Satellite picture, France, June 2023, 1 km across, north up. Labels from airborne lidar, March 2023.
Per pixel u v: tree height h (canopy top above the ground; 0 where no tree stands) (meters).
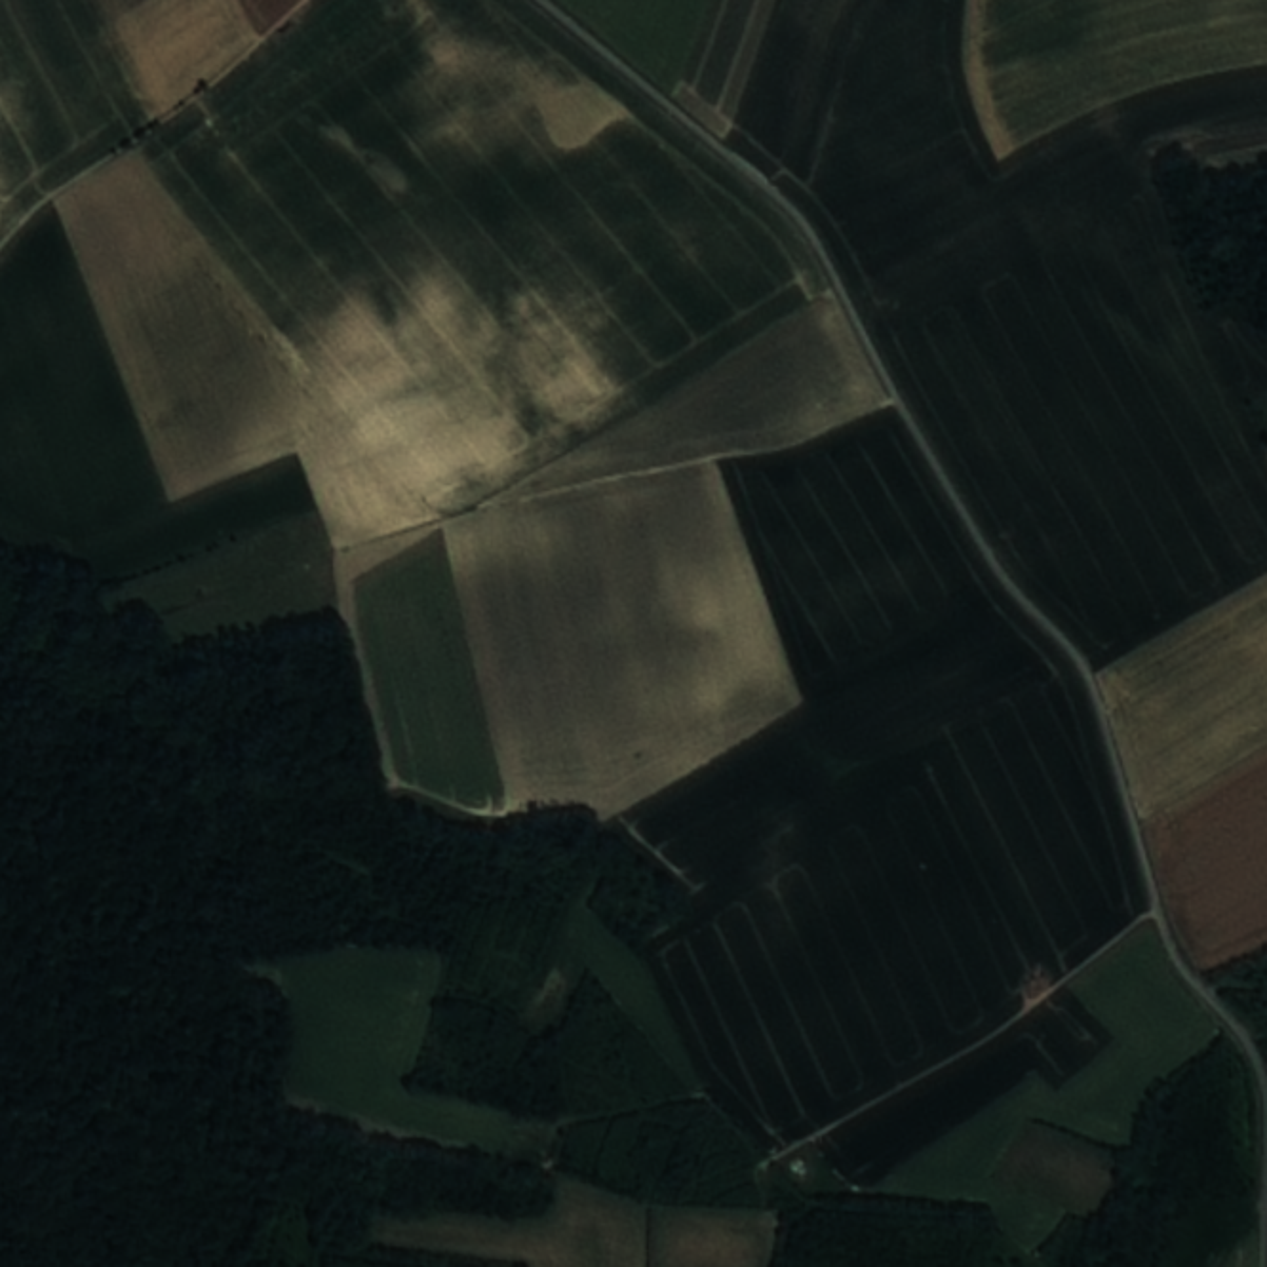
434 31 0
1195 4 0
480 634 0
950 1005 0
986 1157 0
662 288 0
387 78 0
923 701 0
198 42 0
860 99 0
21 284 0
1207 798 0
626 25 0
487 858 13
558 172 0
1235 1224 0
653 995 0
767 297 0
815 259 0
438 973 0
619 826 0
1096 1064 0
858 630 0
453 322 0
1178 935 0
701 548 0
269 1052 19
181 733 23
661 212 0
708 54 0
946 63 0
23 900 25
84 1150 19
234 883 15
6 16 0
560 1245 0
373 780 12
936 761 0
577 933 0
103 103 0
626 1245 0
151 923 21
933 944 0
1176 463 0
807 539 0
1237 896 0
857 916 0
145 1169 23
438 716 0
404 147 0
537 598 0
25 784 23
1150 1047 0
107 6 0
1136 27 0
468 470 0
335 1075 0
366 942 6
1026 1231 0
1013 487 0
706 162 0
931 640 0
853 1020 0
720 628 0
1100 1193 0
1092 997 0
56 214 0
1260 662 0
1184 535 0
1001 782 0
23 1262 20
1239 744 0
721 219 0
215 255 0
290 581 0
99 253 0
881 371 0
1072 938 0
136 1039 22
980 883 0
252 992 24
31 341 0
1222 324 0
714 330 0
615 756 0
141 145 0
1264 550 0
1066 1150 0
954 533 0
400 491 0
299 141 0
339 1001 0
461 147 0
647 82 0
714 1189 0
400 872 9
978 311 0
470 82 0
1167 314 0
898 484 0
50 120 0
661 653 0
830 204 0
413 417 0
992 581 0
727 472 0
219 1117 21
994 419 0
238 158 0
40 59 0
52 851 21
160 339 0
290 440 0
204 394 0
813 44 0
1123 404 0
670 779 0
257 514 0
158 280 0
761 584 0
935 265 0
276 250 0
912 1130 0
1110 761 0
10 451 0
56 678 26
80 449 0
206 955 23
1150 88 0
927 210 0
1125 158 0
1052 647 0
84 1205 21
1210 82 0
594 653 0
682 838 0
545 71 0
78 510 0
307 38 0
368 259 0
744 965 0
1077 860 0
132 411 0
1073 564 0
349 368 0
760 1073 0
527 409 0
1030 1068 0
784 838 0
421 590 0
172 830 21
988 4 0
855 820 0
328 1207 18
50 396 0
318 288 0
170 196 0
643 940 9
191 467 0
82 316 0
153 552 0
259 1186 17
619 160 0
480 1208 6
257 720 23
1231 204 18
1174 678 0
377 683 0
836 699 0
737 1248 0
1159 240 0
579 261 0
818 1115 0
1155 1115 14
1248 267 20
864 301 0
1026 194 0
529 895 12
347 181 0
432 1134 0
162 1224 25
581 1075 0
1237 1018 0
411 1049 0
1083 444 0
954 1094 0
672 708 0
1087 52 0
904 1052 0
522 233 0
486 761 0
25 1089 22
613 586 0
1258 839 0
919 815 0
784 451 0
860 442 0
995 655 0
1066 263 0
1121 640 0
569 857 10
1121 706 0
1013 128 0
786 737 0
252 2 0
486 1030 10
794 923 0
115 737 20
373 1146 12
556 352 0
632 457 0
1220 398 0
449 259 0
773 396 0
